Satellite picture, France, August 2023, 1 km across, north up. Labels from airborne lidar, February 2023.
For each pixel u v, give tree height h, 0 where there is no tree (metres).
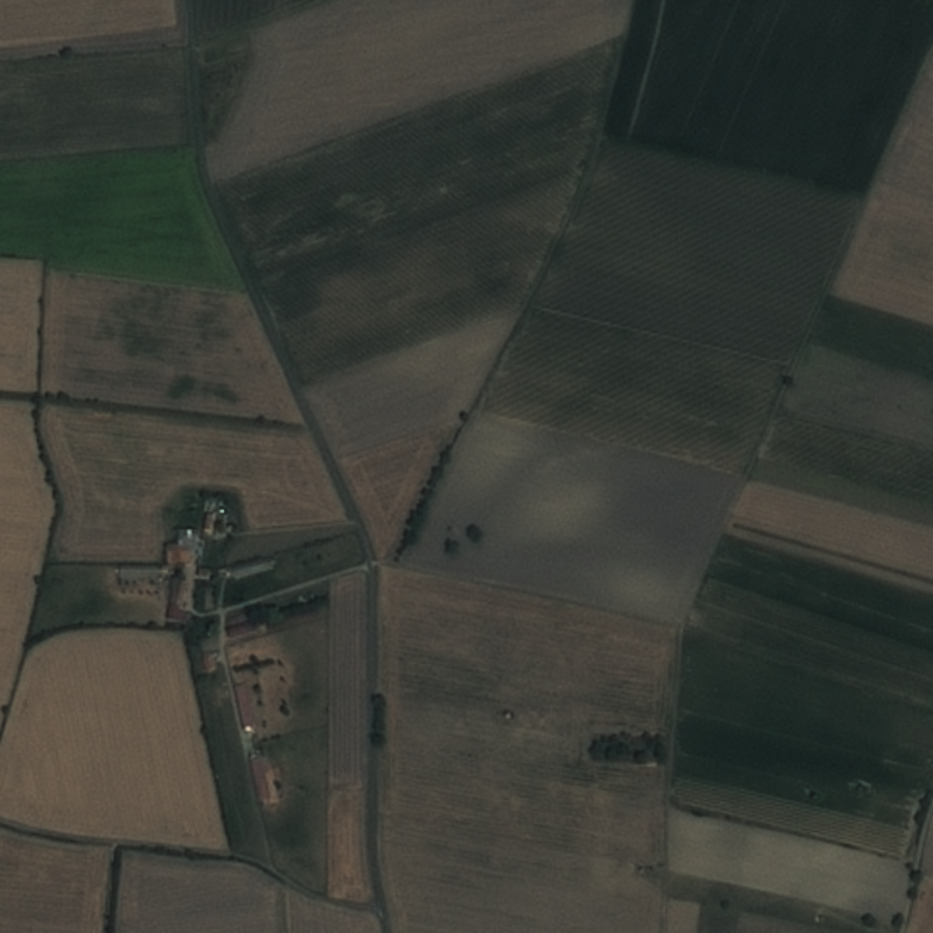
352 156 0
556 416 0
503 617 0
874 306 0
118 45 0
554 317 0
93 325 0
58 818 0
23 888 0
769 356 0
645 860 0
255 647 0
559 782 0
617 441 0
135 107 0
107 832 0
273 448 0
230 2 0
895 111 0
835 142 0
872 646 0
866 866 0
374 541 0
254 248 0
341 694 0
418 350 0
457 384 0
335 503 0
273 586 0
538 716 0
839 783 0
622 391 0
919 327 0
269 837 0
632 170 0
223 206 0
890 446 0
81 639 0
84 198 0
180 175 0
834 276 0
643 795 0
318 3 0
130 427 0
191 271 0
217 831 0
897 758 0
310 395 0
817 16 0
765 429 0
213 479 0
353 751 0
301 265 0
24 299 0
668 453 0
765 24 0
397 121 0
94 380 0
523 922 0
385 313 0
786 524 0
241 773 0
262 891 0
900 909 0
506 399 0
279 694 0
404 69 0
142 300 0
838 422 0
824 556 0
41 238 0
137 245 0
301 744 0
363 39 0
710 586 0
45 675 0
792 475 0
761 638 0
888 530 0
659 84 0
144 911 0
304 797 0
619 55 0
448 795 0
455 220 0
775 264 0
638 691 0
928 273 0
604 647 0
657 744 8
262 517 0
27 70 0
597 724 0
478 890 0
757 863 0
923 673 0
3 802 0
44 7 0
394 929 0
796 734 0
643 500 0
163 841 0
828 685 0
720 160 0
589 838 0
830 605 0
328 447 0
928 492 0
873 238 0
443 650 0
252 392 0
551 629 0
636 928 0
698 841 0
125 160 0
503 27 0
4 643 0
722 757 0
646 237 0
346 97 0
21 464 0
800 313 0
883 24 0
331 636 0
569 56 0
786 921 0
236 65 0
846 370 0
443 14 0
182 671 0
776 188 0
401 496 0
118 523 0
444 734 0
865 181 0
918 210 0
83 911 0
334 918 0
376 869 0
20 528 0
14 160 0
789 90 0
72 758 0
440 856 0
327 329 0
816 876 0
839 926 0
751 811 0
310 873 0
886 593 0
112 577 0
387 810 0
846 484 0
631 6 0
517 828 0
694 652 0
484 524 0
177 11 0
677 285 0
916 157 0
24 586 0
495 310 0
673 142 0
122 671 0
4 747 0
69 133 0
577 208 0
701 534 0
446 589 0
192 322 0
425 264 0
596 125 0
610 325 0
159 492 0
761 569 0
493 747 0
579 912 0
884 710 0
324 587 0
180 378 0
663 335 0
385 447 0
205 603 0
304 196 0
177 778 0
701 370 0
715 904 0
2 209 0
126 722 0
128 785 0
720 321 0
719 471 0
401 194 0
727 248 0
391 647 0
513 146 0
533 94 0
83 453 0
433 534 0
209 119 0
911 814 0
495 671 0
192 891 0
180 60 0
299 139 0
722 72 0
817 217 0
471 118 0
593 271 0
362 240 0
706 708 0
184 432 0
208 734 8
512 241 0
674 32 0
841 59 0
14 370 0
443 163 0
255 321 0
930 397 0
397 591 0
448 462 7
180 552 0
